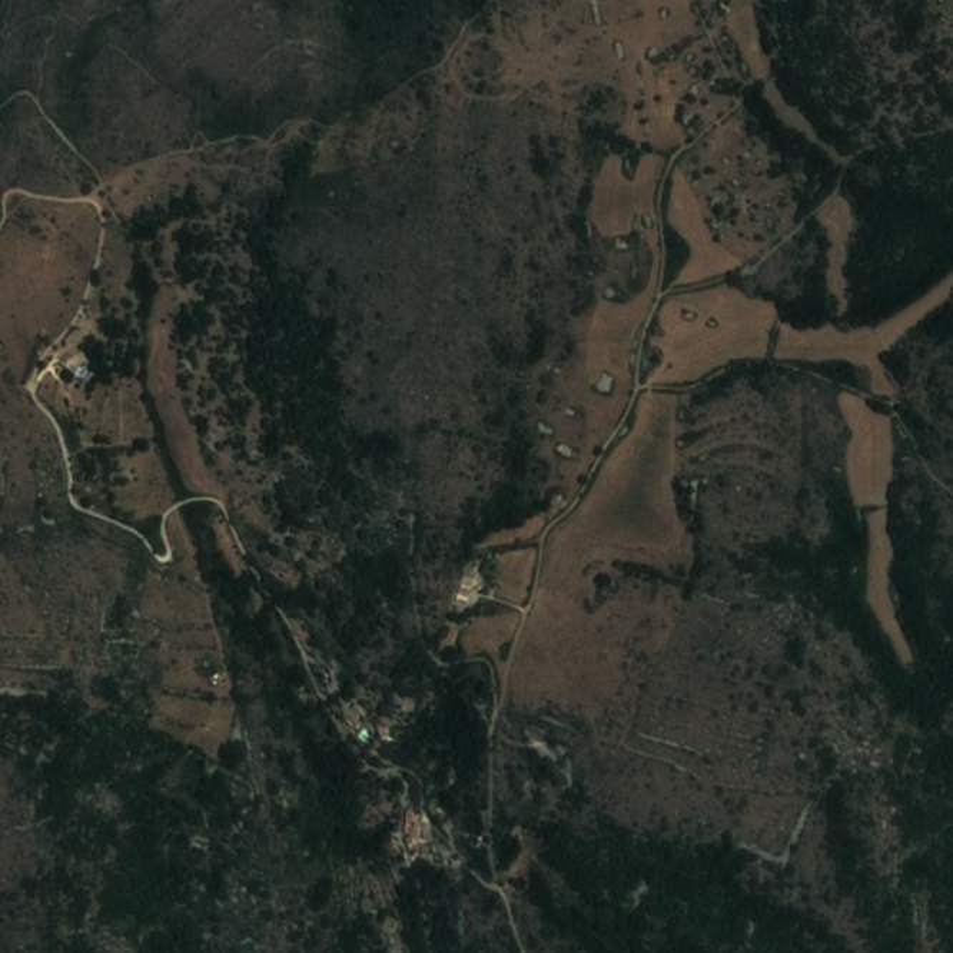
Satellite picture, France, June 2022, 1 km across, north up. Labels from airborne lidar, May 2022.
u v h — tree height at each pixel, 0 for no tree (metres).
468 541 5
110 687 7
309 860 7
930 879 6
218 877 8
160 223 7
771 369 7
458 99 0
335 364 7
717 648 0
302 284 7
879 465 0
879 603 0
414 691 9
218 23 0
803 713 6
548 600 0
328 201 0
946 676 7
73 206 0
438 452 0
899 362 9
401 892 10
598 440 0
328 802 10
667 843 7
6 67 0
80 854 6
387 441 7
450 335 0
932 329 9
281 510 9
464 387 0
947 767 9
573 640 0
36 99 0
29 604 0
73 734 8
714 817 0
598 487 0
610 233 0
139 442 10
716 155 0
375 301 0
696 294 0
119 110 0
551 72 0
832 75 7
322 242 0
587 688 0
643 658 0
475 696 7
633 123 0
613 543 0
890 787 9
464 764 7
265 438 5
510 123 0
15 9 0
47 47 0
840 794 5
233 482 0
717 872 8
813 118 7
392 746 8
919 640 9
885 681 7
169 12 0
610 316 0
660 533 0
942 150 6
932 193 6
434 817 6
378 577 8
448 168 0
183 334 10
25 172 0
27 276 0
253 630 10
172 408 0
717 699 0
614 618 0
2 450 0
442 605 0
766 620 0
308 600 8
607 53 0
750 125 11
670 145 0
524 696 0
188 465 0
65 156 0
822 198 7
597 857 7
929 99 9
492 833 8
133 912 7
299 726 8
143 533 6
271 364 7
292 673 10
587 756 0
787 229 0
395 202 0
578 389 0
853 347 0
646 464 0
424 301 0
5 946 0
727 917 7
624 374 0
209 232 6
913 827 7
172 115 0
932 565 6
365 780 10
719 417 0
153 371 0
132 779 8
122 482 9
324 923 8
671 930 6
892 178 10
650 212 0
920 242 8
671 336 0
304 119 0
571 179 0
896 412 10
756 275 0
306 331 6
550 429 0
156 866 7
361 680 10
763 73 0
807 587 7
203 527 7
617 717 0
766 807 0
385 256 0
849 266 8
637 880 9
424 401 0
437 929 7
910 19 7
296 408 10
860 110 8
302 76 0
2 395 0
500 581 0
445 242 0
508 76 0
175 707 0
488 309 0
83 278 0
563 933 7
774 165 7
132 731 8
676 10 0
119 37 0
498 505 6
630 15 0
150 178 0
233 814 6
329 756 8
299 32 0
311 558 7
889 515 8
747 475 0
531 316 6
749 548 6
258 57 0
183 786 6
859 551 10
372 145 0
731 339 0
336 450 7
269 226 10
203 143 0
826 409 0
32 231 0
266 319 7
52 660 0
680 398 0
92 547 0
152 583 0
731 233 0
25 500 0
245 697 6
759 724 0
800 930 6
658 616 0
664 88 0
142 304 8
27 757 7
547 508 8
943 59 7
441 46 7
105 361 9
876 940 6
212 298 11
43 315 0
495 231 0
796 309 11
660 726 0
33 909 0
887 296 11
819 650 0
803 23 7
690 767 0
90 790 5
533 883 9
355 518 9
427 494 0
